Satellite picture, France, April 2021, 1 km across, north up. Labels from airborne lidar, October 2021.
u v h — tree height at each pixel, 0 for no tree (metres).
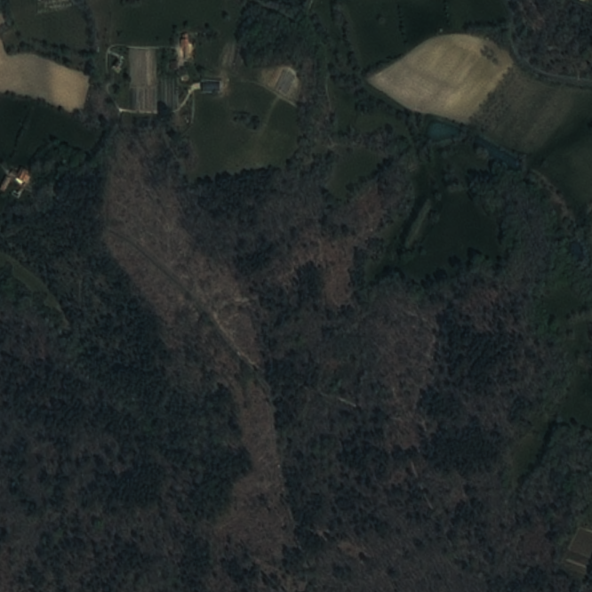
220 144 0
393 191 13
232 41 0
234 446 17
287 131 0
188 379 16
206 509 27
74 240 20
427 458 10
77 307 18
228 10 0
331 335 21
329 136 18
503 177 23
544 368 23
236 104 0
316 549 24
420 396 8
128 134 21
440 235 0
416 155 18
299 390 24
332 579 14
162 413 17
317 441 12
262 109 0
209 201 20
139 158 24
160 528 15
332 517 12
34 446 15
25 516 12
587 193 0
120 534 12
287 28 21
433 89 0
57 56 11
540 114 0
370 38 0
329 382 16
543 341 12
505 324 11
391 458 14
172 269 0
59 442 14
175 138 21
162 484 25
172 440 13
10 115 0
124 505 29
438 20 0
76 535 16
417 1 0
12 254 8
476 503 20
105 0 0
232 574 13
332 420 8
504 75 7
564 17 12
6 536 21
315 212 14
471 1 0
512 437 14
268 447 0
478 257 21
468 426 14
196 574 11
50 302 0
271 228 14
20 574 10
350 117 0
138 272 0
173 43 12
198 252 16
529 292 21
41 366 14
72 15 7
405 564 11
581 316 15
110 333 18
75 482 17
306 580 11
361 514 11
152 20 0
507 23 15
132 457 14
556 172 0
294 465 12
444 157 14
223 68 0
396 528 14
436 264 0
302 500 13
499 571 13
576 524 22
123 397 19
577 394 0
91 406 17
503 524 12
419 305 15
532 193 23
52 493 17
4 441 17
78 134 0
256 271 15
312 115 17
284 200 20
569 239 8
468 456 23
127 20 0
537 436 13
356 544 9
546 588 23
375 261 18
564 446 19
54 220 29
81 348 14
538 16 15
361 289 21
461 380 8
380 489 8
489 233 0
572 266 18
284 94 0
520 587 11
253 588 10
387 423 18
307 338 11
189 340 15
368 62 0
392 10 0
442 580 17
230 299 0
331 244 11
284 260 16
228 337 0
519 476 0
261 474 0
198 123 0
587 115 0
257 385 13
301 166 9
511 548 12
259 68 0
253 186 24
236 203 23
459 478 12
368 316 11
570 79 15
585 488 20
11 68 0
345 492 15
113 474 8
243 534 0
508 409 15
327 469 12
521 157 10
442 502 13
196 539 12
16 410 19
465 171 0
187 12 0
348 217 10
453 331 24
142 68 0
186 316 18
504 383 16
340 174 0
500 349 15
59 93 0
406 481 11
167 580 19
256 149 0
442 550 13
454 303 10
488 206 26
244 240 13
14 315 17
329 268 12
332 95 0
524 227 21
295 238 15
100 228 22
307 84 13
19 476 19
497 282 19
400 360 7
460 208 0
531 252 22
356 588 11
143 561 18
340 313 5
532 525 23
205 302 0
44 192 26
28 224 25
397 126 0
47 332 16
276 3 14
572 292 12
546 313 12
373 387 10
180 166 16
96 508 14
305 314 11
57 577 17
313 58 19
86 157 15
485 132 7
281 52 20
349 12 0
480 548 9
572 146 0
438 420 25
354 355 16
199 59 0
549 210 20
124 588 14
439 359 17
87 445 12
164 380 19
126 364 18
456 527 22
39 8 0
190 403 14
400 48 0
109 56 0
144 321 23
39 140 0
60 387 8
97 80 24
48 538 13
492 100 9
